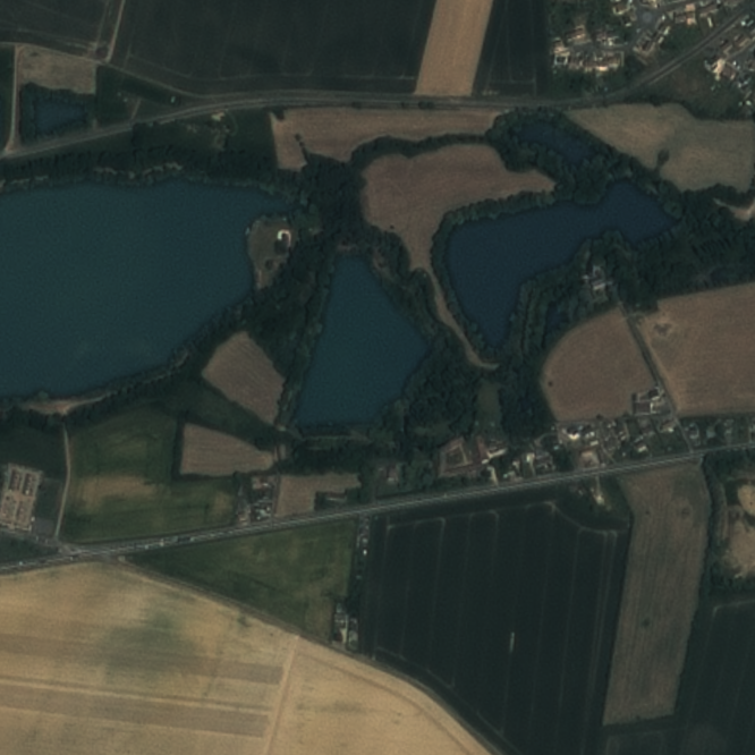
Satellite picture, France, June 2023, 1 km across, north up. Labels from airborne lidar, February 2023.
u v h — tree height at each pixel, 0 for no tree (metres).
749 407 0
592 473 0
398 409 10
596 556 0
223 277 0
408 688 0
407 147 9
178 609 0
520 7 0
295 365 10
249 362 0
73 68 0
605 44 0
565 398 0
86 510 0
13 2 0
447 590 0
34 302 0
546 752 0
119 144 0
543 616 0
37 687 0
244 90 0
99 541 0
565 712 0
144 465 0
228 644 0
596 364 0
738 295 0
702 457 0
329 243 17
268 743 0
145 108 0
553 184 0
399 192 0
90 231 0
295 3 0
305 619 0
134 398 14
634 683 0
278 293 19
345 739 0
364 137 0
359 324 0
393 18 0
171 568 0
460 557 0
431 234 0
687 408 0
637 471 0
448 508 0
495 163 0
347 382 0
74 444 0
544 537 0
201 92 0
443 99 0
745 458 15
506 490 0
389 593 0
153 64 0
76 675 0
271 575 0
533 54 0
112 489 0
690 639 6
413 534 0
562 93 0
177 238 0
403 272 8
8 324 0
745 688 0
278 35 0
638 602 0
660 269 10
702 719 0
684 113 0
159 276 0
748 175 0
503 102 0
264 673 0
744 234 17
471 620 0
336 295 0
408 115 0
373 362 0
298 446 9
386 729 0
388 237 14
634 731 0
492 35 0
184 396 0
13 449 0
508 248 0
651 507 0
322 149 0
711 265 16
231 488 0
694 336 0
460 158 0
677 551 0
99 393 7
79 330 0
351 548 0
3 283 0
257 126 0
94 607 0
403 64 0
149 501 0
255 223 0
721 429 10
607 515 0
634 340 0
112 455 0
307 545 0
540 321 8
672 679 0
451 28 0
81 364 0
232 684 0
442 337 14
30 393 0
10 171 22
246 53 0
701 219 21
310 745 0
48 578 0
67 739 0
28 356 0
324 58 0
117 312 0
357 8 0
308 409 0
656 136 0
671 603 0
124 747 0
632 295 21
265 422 0
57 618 0
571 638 0
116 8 0
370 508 0
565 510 0
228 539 0
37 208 0
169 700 0
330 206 12
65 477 0
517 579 0
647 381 0
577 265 24
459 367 26
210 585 0
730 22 0
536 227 0
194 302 0
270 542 0
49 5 0
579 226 0
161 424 0
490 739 0
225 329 19
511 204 15
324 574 0
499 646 0
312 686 0
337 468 7
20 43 0
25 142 10
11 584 0
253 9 0
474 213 17
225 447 0
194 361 17
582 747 0
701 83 0
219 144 0
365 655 0
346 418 0
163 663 0
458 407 23
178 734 0
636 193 0
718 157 0
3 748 0
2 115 10
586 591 0
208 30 0
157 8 0
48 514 0
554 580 0
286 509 0
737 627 0
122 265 0
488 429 0
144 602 0
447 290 14
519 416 10
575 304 22
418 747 0
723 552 16
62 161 16
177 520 0
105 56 0
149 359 0
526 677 0
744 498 0
